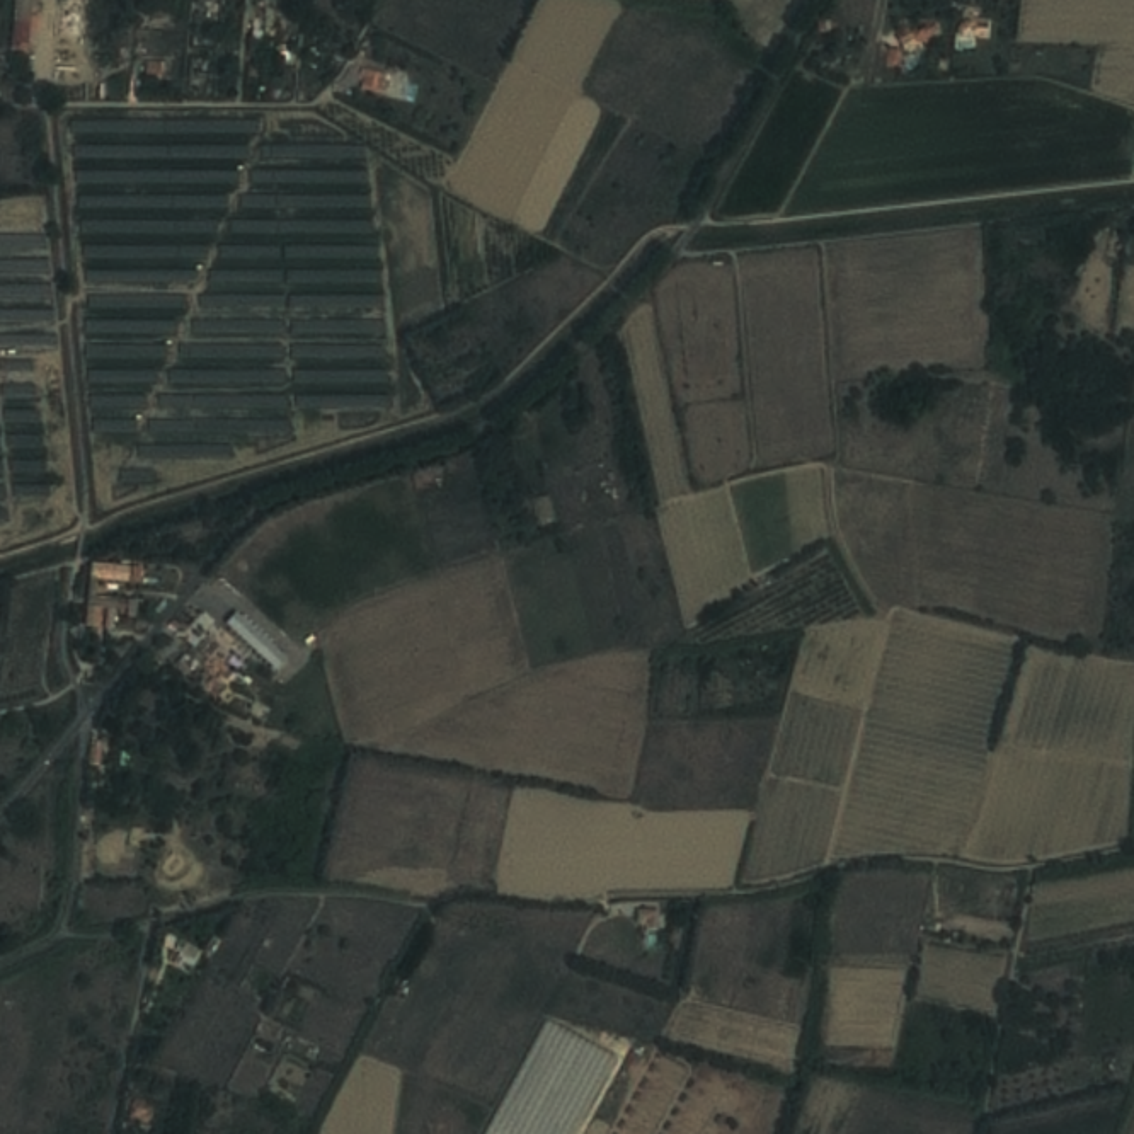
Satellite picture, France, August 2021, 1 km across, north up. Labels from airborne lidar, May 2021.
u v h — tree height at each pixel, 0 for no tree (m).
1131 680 0
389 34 7
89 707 0
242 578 0
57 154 0
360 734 0
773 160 0
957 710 0
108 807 15
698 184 17
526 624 0
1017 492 0
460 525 0
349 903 0
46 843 0
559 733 0
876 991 0
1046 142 0
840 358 0
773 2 0
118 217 0
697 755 0
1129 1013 0
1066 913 0
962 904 0
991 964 0
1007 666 0
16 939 7
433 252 0
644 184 0
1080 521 0
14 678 0
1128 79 0
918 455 0
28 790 0
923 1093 6
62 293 11
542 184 0
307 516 0
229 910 10
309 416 0
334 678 0
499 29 0
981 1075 8
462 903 18
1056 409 14
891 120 0
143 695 7
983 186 0
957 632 0
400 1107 0
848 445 0
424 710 0
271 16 0
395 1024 0
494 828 0
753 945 0
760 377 0
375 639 0
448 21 0
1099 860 14
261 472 0
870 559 0
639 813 0
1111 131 0
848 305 0
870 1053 0
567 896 0
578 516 0
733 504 0
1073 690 0
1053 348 14
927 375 13
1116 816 0
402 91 0
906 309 0
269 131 0
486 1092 0
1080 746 0
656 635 0
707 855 0
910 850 0
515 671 0
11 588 14
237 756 10
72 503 0
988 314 11
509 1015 0
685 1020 0
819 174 0
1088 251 10
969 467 0
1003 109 0
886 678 0
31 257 0
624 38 0
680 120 0
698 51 0
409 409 0
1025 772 0
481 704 0
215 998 0
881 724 0
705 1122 0
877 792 0
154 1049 13
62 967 0
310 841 9
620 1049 0
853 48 7
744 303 0
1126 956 10
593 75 0
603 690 0
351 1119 0
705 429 0
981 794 0
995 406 0
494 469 18
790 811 0
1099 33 0
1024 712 0
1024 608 0
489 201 0
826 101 0
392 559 0
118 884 11
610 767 0
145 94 14
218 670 0
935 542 0
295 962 0
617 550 0
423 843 0
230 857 9
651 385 0
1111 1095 13
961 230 0
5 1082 0
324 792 6
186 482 0
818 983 7
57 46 0
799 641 6
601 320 21
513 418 20
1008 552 0
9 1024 0
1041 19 0
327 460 0
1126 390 11
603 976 17
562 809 0
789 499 0
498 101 0
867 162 0
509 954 0
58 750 0
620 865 0
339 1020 0
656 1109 0
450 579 0
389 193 0
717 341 0
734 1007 0
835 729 0
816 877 7
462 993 0
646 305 0
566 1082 0
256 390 0
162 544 6
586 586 0
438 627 0
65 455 0
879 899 0
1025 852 0
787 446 0
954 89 0
